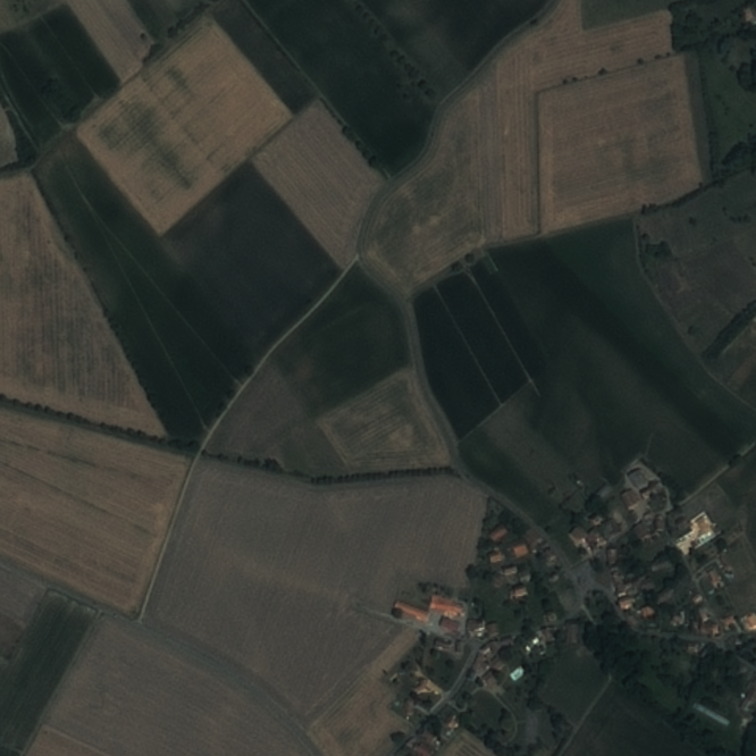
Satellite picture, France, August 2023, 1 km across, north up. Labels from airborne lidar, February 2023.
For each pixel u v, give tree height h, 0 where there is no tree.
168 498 0
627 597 0
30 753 0
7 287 0
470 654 0
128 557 0
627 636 11
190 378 0
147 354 0
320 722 0
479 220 0
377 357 0
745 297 0
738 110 0
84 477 0
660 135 0
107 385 0
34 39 0
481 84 0
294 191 0
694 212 0
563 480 0
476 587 0
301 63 0
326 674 0
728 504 0
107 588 0
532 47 0
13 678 0
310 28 0
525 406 0
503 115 0
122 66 0
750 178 0
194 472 0
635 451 0
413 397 0
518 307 0
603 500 11
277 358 0
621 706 0
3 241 0
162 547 0
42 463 0
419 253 0
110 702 0
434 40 0
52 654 0
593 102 0
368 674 0
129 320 0
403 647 0
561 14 0
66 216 0
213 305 0
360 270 0
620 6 0
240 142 0
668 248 8
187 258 0
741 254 0
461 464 0
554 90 0
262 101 0
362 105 0
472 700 15
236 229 0
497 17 0
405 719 0
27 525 0
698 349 0
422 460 0
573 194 0
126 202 0
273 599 0
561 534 0
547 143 0
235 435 0
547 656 7
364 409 0
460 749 0
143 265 0
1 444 0
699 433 0
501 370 0
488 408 0
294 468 0
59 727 0
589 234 0
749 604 0
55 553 0
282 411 0
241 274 0
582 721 0
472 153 0
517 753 13
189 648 0
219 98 0
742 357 0
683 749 0
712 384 0
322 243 0
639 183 0
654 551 0
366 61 0
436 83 0
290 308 0
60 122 0
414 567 0
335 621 0
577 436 0
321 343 0
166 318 0
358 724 0
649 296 0
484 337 0
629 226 0
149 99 0
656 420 0
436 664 0
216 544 0
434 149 0
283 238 0
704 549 0
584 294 0
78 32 0
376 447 0
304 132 0
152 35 0
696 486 0
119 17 0
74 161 0
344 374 0
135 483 0
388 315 0
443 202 0
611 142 0
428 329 0
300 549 0
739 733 0
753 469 0
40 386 0
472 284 0
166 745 0
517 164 0
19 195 0
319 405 0
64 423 0
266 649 0
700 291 0
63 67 0
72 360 0
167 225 0
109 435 0
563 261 0
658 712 8
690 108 0
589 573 0
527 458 0
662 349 0
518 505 0
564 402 0
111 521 0
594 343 0
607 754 0
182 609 0
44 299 0
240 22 0
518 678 0
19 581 0
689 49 6
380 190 0
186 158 0
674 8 10
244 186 0
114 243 0
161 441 8
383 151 0
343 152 0
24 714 0
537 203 0
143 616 0
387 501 0
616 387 0
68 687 0
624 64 0
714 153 7
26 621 0
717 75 0
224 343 0
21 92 0
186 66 0
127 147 0
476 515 0
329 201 0
